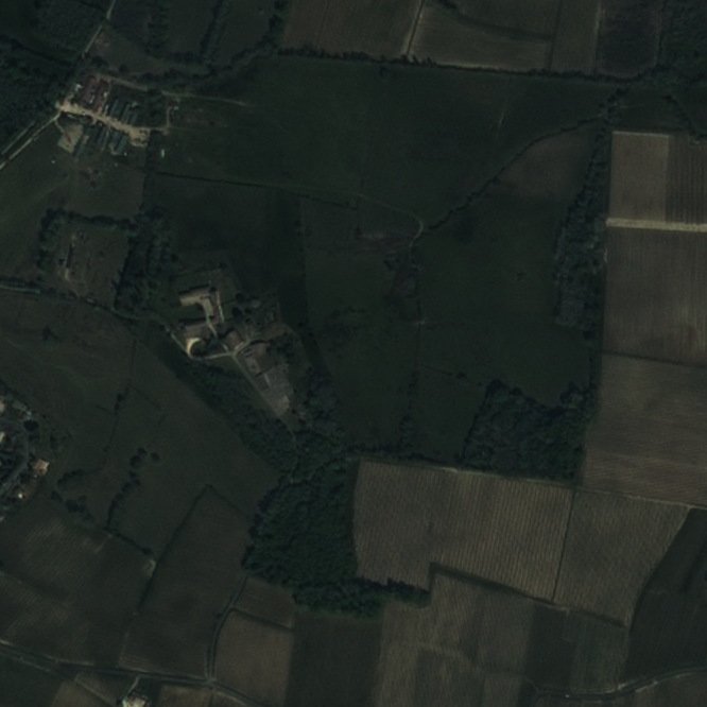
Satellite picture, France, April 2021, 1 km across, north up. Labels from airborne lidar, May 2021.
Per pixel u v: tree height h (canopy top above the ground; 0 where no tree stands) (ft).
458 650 0
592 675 0
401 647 0
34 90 27
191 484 0
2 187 0
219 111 0
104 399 0
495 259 0
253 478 0
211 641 0
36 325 0
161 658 0
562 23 0
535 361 0
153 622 0
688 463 0
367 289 0
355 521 0
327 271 0
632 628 0
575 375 0
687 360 0
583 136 0
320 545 51
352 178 0
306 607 72
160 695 0
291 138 0
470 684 0
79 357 0
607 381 0
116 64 0
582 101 0
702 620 0
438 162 0
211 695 0
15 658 0
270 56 35
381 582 0
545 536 0
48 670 0
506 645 0
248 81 0
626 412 0
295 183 0
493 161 0
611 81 37
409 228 0
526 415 38
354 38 0
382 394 0
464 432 0
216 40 48
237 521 0
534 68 0
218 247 0
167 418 0
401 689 0
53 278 0
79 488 0
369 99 0
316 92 0
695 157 0
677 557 0
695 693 0
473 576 0
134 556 0
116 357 0
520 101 0
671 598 0
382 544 0
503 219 0
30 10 0
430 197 0
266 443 39
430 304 0
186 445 0
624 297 0
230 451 0
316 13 0
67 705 0
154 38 33
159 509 0
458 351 0
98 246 0
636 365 0
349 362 0
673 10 37
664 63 29
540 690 0
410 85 0
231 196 0
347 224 0
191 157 0
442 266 0
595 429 0
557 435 61
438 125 0
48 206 0
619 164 0
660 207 0
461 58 0
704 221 0
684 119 36
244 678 0
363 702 0
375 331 0
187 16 0
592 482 0
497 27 0
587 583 0
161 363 0
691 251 0
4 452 28
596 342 51
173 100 0
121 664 0
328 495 53
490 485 0
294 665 0
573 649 0
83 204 0
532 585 0
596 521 0
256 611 0
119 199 0
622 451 0
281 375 0
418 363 0
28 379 0
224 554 0
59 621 0
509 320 0
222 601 0
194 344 0
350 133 0
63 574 0
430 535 0
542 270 0
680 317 0
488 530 0
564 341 0
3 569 37
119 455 0
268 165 0
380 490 0
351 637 0
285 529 49
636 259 0
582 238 57
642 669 0
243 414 47
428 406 0
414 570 0
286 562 55
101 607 0
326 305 0
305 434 40
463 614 0
